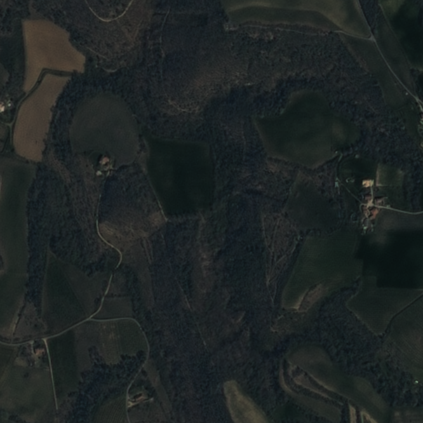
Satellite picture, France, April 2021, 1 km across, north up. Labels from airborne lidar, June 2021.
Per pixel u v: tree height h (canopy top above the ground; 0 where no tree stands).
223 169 23
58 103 9
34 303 12
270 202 11
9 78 7
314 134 0
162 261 11
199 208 0
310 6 0
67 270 0
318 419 13
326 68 18
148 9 10
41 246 14
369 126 25
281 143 0
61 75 9
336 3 0
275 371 17
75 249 11
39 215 13
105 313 0
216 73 14
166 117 13
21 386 0
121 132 0
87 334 0
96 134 0
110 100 0
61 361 0
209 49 12
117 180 7
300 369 7
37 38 0
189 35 10
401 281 0
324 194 13
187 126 17
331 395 10
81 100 15
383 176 0
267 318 9
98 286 0
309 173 9
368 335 16
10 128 0
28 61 0
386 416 0
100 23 11
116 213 12
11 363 0
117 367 10
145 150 12
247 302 10
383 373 14
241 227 8
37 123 0
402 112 0
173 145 0
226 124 11
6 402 0
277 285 5
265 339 8
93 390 11
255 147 10
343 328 15
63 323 0
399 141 20
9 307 0
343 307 15
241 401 0
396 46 0
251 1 0
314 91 10
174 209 0
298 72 17
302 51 10
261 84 7
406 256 0
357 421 5
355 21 0
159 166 0
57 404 0
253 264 11
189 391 16
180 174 0
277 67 11
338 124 0
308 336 29
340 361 27
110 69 14
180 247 12
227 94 18
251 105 16
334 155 0
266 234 11
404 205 0
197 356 10
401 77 0
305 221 0
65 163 15
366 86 8
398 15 0
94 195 7
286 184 10
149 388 10
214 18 11
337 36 9
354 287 17
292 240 6
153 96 13
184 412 23
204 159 0
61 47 0
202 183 0
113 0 8
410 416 0
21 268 0
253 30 13
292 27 11
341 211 9
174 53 10
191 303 10
